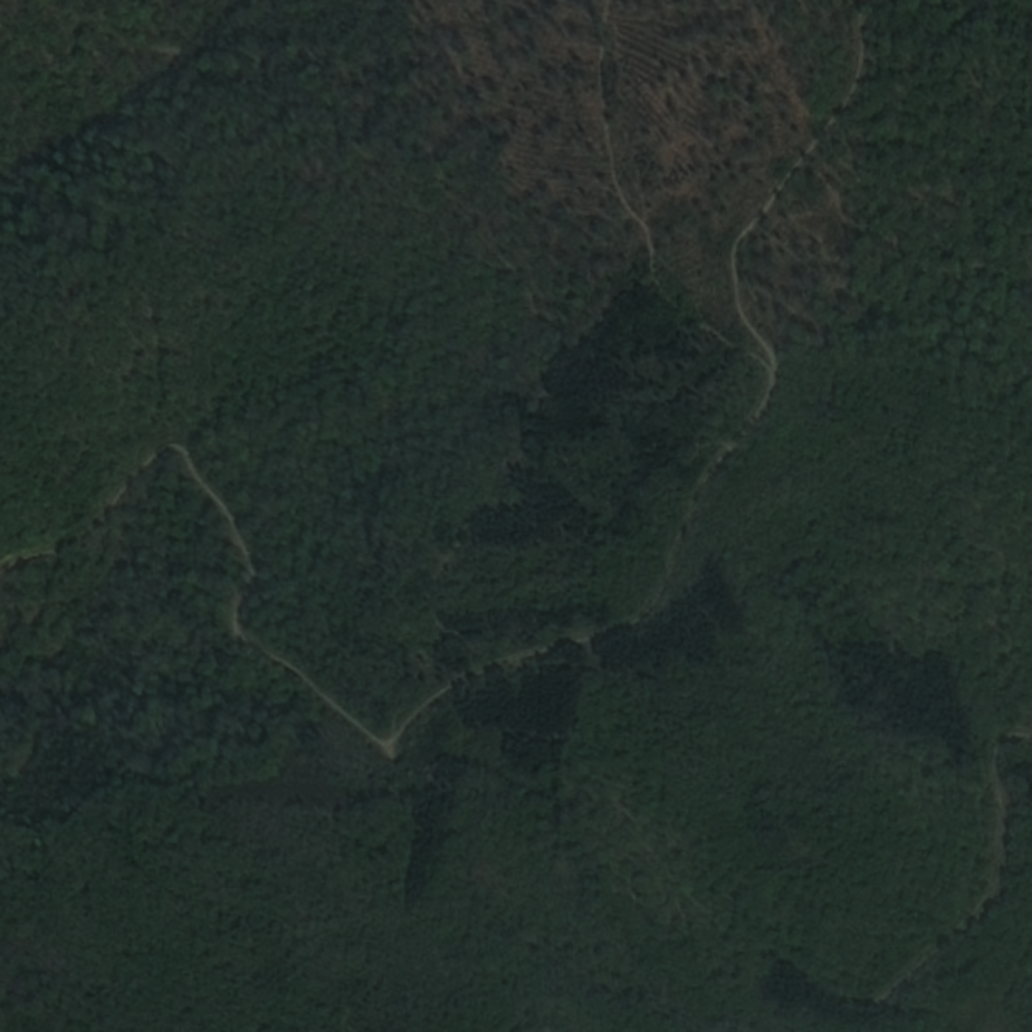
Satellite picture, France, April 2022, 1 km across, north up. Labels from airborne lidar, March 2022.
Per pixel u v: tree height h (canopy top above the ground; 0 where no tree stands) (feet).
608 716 73
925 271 86
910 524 75
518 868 72
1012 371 89
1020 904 77
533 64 90
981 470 72
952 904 77
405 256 76
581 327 70
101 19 98
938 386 71
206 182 82
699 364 70
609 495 32
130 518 94
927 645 69
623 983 52
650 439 39
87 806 81
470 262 79
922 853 75
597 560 67
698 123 0
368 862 51
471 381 50
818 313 105
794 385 70
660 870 83
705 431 84
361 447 75
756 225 0
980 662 75
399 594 21
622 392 60
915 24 73
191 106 108
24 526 83
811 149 0
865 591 93
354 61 67
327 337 92
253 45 107
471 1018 50
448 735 27
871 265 97
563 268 79
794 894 76
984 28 88
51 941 93
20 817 50
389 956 28
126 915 71
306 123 83
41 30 88
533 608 53
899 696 78
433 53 97
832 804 71
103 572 93
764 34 0
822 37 108
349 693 37
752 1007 68
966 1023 0
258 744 56
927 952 0
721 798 95
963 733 68
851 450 76
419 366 95
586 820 83
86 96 105
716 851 88
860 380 69
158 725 108
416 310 83
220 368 82
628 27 0
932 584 80
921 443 58
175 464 91
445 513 59
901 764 85
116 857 68
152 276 71
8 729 104
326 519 43
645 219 0
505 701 73
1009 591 80
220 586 88
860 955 78
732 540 63
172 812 59
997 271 93
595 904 95
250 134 99
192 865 65
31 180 118
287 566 60
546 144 84
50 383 70
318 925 55
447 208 76
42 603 91
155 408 106
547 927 46
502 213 88
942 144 93
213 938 62
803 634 82
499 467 56
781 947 85
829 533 72
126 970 84
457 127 108
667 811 80
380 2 62
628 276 18
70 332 63
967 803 78
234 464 100
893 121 116
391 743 0
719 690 28
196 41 73
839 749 50
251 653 77
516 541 59
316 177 76
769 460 52
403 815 66
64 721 62
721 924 77
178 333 88
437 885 75
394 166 92
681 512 30
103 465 81
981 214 107
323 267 67
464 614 49
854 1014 82
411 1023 62
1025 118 94
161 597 72
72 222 99
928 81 79
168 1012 76
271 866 62
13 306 53
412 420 73
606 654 70
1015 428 37
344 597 33
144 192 89
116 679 28
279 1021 68
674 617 54
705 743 56
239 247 75
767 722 33
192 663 67
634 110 0
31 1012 74
